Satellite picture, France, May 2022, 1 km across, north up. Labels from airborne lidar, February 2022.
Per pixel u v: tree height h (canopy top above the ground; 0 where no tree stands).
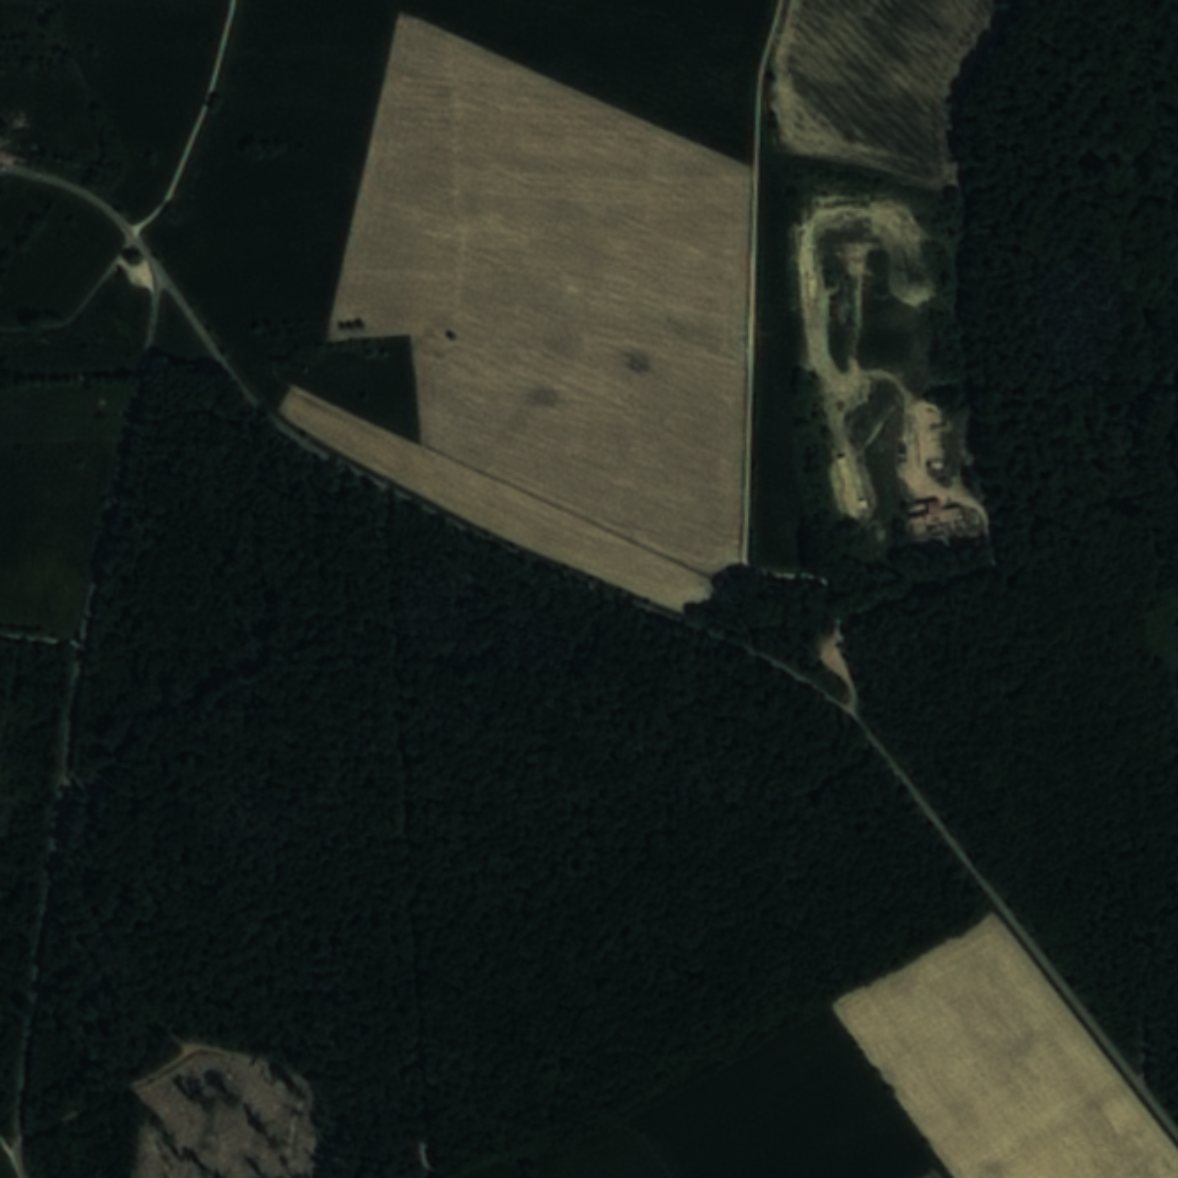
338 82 0
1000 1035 0
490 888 27
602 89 0
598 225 0
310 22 0
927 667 21
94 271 0
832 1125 0
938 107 0
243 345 0
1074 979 16
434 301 0
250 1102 0
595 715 25
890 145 0
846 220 0
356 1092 31
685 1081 12
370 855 27
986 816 19
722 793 28
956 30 0
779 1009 23
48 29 12
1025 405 30
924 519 0
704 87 0
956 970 0
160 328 0
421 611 22
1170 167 24
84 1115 15
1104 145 32
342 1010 27
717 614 19
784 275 0
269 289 0
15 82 0
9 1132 17
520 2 0
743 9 0
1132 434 32
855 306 0
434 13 0
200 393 27
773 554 0
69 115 0
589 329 0
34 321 20
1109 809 27
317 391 0
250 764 27
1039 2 31
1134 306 30
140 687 31
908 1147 0
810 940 27
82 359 0
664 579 0
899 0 0
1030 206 35
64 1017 31
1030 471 37
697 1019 26
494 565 21
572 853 26
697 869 26
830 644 0
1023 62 32
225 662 30
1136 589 30
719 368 0
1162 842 29
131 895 29
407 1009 26
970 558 16
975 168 24
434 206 0
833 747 27
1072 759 27
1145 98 31
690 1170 0
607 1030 25
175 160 0
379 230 0
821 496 0
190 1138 0
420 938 26
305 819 27
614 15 0
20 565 0
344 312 0
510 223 0
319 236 0
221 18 0
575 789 27
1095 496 32
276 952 26
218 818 24
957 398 11
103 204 0
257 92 0
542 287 0
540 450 0
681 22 0
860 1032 0
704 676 30
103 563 17
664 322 0
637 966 28
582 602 19
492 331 0
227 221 0
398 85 0
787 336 0
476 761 27
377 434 0
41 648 10
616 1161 0
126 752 27
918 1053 0
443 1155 22
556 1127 21
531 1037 26
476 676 29
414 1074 27
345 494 20
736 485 0
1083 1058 0
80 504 0
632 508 0
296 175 0
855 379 0
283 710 29
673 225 0
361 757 28
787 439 0
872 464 0
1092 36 30
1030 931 14
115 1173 16
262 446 19
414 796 25
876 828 28
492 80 0
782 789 29
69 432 0
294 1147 0
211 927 27
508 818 29
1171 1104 14
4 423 0
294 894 28
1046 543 34
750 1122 0
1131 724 28
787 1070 0
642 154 0
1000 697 24
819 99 0
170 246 0
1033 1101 0
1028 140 33
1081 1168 0
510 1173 0
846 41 0
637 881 28
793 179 0
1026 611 27
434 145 0
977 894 21
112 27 0
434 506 0
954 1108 0
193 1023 25
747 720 29
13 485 0
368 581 25
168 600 14
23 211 0
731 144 0
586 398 0
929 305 0
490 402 0
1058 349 27
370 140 0
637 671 28
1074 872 23
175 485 22
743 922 28
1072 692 25
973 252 26
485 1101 28
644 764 29
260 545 26
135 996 28
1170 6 23
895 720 22
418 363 0
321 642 22
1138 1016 17
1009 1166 0
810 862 28
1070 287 29
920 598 21
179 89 0
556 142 0
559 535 0
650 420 0
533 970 23
